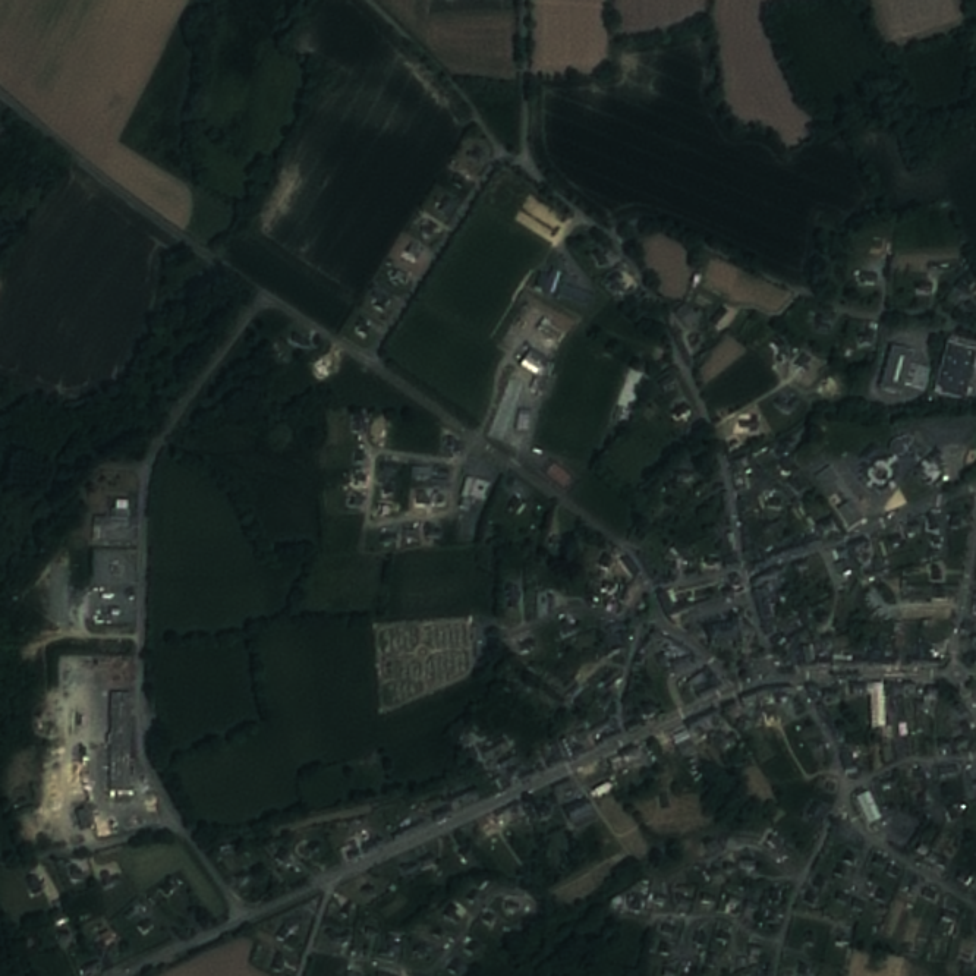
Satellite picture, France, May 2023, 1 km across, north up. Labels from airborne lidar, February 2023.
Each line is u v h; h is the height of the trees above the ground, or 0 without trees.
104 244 0
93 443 9
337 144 0
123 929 0
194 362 17
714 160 0
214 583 0
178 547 0
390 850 0
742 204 0
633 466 0
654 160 0
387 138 0
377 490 0
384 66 0
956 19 0
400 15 0
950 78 0
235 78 0
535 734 0
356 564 0
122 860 0
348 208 0
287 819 11
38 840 0
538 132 0
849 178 0
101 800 0
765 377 0
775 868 0
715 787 23
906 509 0
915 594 0
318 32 0
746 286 0
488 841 0
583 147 0
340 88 0
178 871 0
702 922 0
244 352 0
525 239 0
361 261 0
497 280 0
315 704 0
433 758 0
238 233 8
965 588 0
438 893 6
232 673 0
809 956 0
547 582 0
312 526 0
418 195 0
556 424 0
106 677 0
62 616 0
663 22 0
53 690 0
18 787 0
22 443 12
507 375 0
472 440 0
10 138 12
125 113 0
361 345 0
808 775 0
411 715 0
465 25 0
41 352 0
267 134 0
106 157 0
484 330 0
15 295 0
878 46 13
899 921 0
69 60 0
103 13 0
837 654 0
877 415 13
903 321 15
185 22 14
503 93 7
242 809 0
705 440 15
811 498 7
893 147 0
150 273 0
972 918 0
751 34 0
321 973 0
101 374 0
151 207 0
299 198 0
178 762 11
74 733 0
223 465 0
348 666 0
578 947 16
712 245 13
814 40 0
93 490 14
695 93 0
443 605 0
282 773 0
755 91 0
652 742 10
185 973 0
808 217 0
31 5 0
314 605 0
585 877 0
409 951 0
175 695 0
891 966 0
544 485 0
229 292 28
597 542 14
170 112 0
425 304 0
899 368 0
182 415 0
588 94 0
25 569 9
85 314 0
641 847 0
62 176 16
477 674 12
